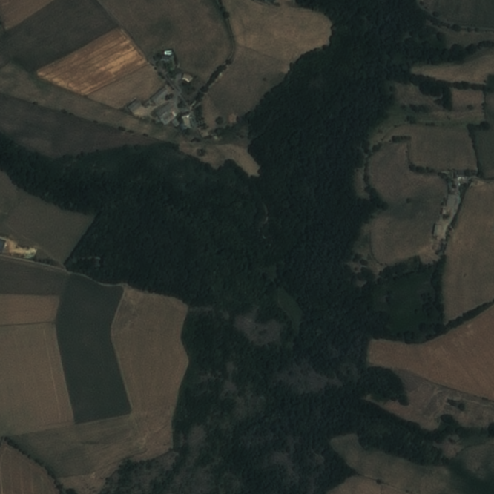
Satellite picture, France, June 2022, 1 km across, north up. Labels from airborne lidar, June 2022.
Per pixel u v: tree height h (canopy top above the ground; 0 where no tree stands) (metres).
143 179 17
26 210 0
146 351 0
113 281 16
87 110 0
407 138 6
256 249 17
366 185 7
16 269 0
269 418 19
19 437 0
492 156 0
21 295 0
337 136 14
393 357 0
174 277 18
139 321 0
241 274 17
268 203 12
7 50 0
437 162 0
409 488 0
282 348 17
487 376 0
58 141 0
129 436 0
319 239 11
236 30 0
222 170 10
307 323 19
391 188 0
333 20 16
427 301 7
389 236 0
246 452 8
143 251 15
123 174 10
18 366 0
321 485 7
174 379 0
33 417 0
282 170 14
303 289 12
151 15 0
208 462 7
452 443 18
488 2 0
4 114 0
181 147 0
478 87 10
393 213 0
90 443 0
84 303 0
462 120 0
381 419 23
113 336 0
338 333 10
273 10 0
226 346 15
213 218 17
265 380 16
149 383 0
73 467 0
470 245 0
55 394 0
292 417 12
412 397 0
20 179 18
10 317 0
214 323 10
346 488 0
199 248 20
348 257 13
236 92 0
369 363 0
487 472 0
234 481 6
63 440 0
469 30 7
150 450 0
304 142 23
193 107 7
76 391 0
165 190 26
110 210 20
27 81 0
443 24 6
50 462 0
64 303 0
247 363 16
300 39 0
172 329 0
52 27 0
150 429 0
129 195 19
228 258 12
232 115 0
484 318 0
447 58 11
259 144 24
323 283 10
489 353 0
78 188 13
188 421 7
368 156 6
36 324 0
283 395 21
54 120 0
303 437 9
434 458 13
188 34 0
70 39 0
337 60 18
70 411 0
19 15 0
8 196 0
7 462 0
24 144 0
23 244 0
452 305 0
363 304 26
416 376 0
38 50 0
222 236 17
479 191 0
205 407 11
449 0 0
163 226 18
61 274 0
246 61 0
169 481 9
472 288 0
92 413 0
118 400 0
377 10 13
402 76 17
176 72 0
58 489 11
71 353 0
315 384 0
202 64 0
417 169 11
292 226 13
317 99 14
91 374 0
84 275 11
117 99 0
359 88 15
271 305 13
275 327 0
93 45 0
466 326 0
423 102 0
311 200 12
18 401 0
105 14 0
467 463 0
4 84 0
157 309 0
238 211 8
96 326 0
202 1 0
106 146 0
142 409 0
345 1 17
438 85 16
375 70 22
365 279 14
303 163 29
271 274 0
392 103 12
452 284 0
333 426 16
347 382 13
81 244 13
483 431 6
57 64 0
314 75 11
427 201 0
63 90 0
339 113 12
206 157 0
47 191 12
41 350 0
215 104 0
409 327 0
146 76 0
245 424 19
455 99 0
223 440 10
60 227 0
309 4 9
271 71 0
